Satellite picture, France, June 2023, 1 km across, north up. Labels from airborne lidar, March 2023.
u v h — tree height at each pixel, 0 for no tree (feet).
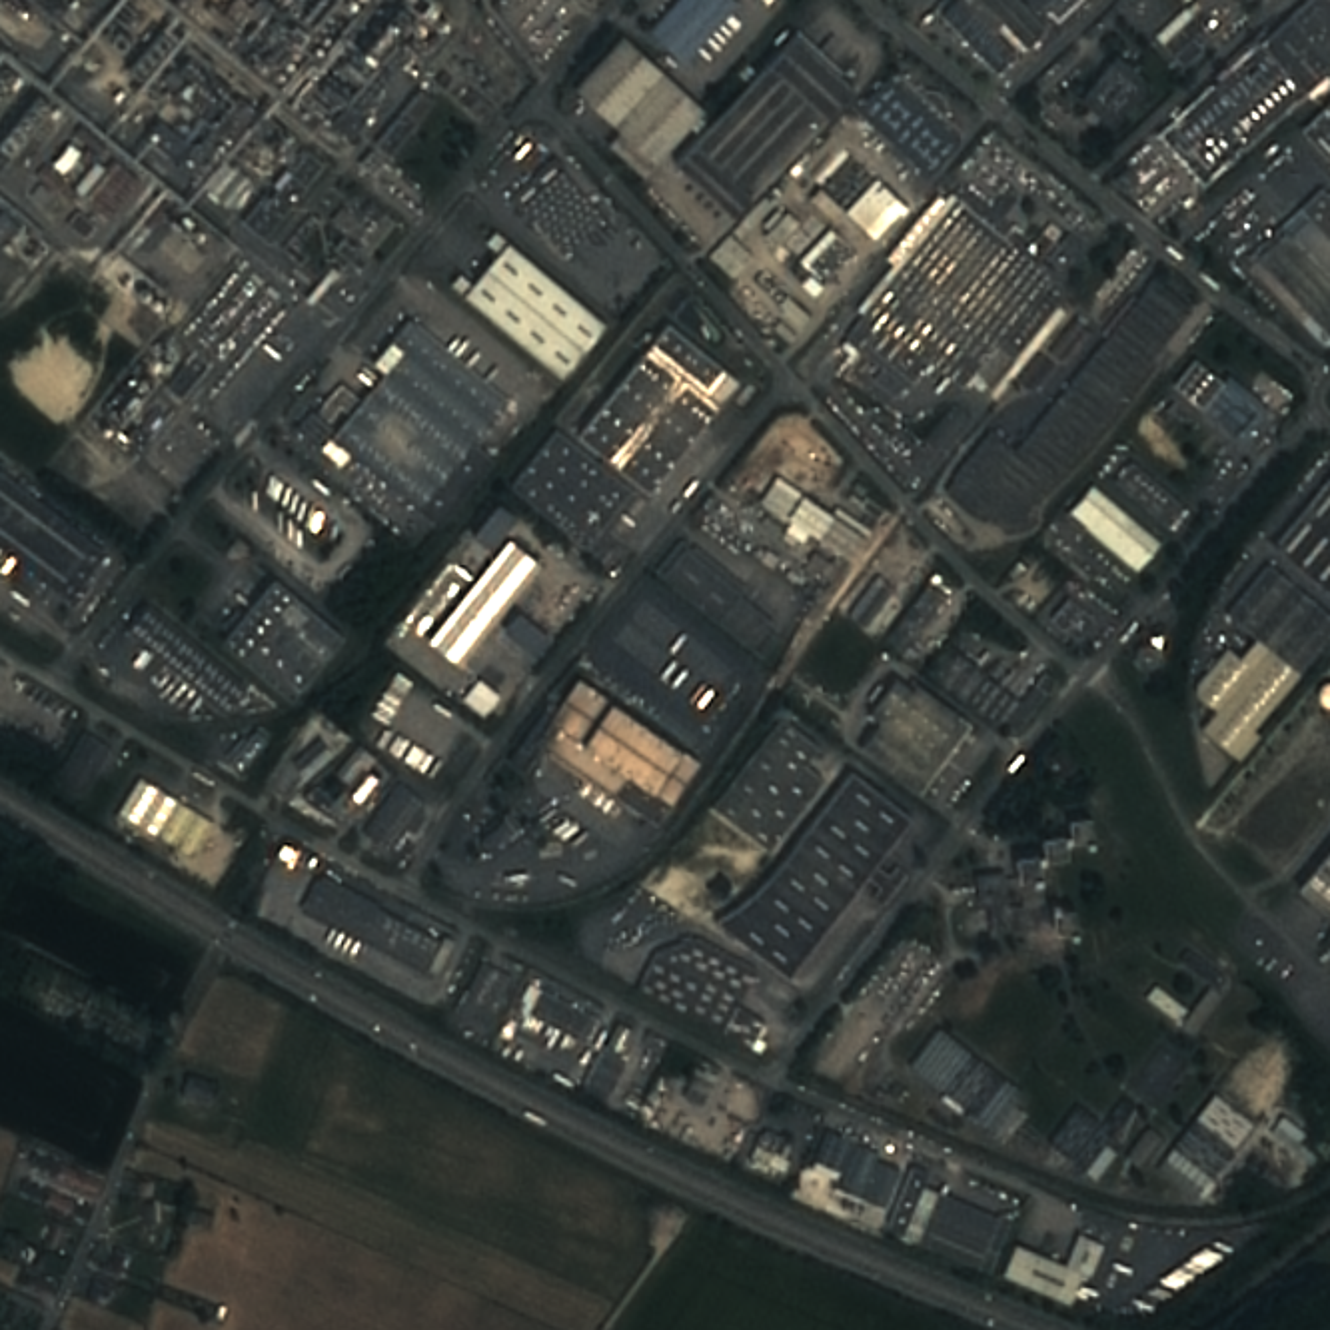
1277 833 0
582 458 0
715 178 0
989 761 0
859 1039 0
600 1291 0
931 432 0
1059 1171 0
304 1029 0
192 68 0
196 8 0
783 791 0
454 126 31
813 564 0
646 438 0
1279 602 0
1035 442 0
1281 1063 0
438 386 0
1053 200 0
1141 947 0
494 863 0
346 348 0
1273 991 0
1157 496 0
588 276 0
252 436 0
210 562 0
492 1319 0
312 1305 0
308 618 0
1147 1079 0
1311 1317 51
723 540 0
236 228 0
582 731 0
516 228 0
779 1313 0
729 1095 0
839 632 0
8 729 41
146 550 37
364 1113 0
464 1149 0
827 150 0
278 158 0
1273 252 0
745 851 0
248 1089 0
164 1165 0
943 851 0
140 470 0
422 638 0
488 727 19
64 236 0
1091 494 0
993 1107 0
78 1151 0
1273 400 0
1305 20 0
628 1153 0
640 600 0
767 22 0
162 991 0
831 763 0
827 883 0
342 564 0
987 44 0
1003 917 0
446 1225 0
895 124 0
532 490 0
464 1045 0
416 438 0
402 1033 0
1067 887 0
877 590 0
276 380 0
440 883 0
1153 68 0
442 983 0
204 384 0
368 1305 0
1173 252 0
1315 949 0
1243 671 0
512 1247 0
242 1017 0
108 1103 0
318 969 0
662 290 0
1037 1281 0
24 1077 0
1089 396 0
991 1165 0
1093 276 0
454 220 0
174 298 0
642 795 0
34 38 0
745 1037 0
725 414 0
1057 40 0
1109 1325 35
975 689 0
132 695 0
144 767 0
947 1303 0
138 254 0
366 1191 0
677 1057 0
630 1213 0
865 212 0
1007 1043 0
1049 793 26
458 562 0
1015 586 0
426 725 0
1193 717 0
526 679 0
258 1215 0
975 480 0
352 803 0
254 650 0
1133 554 0
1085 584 0
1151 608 0
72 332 0
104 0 0
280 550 0
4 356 0
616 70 0
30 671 0
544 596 0
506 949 0
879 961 25
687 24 0
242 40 0
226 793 0
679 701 0
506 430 0
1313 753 0
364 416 0
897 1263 0
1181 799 0
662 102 0
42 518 0
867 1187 0
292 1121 0
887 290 0
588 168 0
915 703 0
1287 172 0
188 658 0
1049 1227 0
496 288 0
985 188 0
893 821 0
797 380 0
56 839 0
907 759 0
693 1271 0
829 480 42
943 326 0
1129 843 0
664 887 0
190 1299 19
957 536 0
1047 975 36
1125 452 0
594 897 0
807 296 0
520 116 0
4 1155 0
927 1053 0
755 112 0
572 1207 0
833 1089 0
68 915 0
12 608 0
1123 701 0
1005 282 0
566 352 0
